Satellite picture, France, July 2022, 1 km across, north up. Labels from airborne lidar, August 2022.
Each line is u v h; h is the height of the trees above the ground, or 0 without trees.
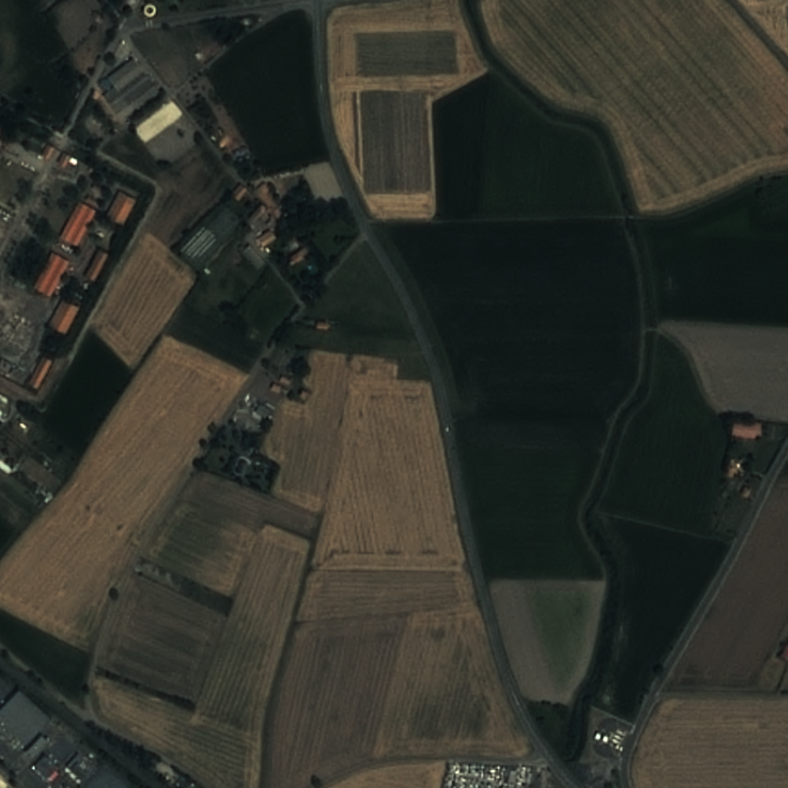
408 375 0
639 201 0
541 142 0
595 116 0
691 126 0
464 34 0
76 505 0
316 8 0
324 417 0
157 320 0
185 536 0
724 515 0
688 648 0
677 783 0
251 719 0
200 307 0
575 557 0
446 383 0
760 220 0
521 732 0
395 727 0
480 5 0
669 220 0
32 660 0
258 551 0
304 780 0
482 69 0
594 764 0
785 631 0
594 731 0
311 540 0
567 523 0
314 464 0
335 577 0
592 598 0
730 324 0
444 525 0
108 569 0
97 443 0
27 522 0
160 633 0
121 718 0
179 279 0
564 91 0
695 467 0
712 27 0
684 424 0
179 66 0
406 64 0
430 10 0
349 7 0
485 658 0
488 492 0
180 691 0
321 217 29
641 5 0
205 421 0
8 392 0
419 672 0
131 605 0
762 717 0
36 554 0
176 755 0
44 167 0
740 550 0
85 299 6
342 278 0
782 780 0
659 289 0
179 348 0
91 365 0
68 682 0
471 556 0
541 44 0
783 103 0
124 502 0
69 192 18
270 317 0
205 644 0
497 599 0
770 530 0
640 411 0
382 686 0
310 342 0
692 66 0
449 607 0
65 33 0
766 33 0
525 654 0
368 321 0
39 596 0
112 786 0
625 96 0
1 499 0
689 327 0
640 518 0
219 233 0
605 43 0
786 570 0
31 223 15
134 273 0
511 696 0
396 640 0
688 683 0
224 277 0
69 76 10
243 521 0
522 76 0
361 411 0
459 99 0
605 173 0
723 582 0
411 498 0
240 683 0
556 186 0
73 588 0
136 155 0
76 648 0
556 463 0
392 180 0
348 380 0
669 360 0
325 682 0
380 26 0
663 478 0
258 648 0
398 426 0
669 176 0
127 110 0
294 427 0
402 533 0
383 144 0
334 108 0
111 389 0
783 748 0
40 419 8
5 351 0
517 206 0
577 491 0
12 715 0
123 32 0
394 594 0
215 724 0
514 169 0
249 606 0
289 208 18
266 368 7
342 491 0
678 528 0
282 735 0
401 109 0
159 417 0
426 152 0
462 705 0
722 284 0
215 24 6
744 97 0
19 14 0
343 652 0
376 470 0
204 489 0
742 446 0
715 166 0
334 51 0
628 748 0
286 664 0
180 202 0
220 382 0
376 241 0
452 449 0
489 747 0
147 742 0
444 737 0
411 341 0
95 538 0
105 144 0
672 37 0
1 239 0
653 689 0
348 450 0
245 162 10
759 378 0
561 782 0
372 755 0
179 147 0
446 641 0
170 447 0
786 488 0
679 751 0
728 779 0
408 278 0
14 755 0
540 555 0
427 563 0
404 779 0
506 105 0
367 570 0
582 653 0
